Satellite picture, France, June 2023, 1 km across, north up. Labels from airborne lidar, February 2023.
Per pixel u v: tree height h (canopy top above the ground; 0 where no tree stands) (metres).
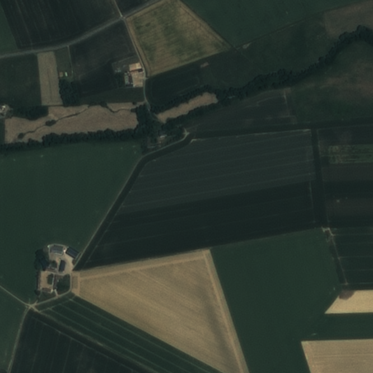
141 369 0
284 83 13
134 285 0
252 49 0
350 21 0
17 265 0
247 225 0
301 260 0
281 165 0
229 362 0
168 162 0
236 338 0
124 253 0
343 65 0
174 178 0
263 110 0
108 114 0
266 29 0
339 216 0
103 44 0
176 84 0
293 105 0
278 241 0
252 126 0
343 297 0
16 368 0
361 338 0
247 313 0
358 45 0
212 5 0
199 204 0
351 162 0
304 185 0
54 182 0
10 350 0
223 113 0
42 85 0
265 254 0
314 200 0
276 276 0
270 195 0
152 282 0
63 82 12
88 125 0
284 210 0
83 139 15
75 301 0
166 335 0
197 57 0
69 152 0
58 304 0
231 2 0
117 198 0
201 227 0
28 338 0
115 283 0
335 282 0
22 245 0
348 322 0
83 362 0
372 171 0
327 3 0
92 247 0
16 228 0
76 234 0
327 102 0
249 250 0
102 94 0
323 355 0
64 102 7
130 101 0
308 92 0
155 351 0
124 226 0
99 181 0
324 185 0
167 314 0
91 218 0
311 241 0
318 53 0
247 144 0
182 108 0
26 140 0
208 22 0
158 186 0
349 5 0
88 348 0
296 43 0
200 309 0
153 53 0
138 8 0
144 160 0
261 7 0
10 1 0
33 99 0
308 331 0
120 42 0
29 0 0
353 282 0
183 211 0
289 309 0
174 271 0
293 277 0
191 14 0
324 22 0
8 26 0
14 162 0
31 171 0
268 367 0
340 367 0
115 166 0
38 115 6
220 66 0
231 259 0
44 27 0
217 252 0
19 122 0
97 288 0
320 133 0
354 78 0
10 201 0
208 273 0
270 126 0
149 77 0
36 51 0
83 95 0
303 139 0
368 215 0
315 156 0
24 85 0
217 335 0
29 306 0
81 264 0
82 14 0
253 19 0
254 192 0
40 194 0
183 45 0
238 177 0
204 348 0
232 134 0
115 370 0
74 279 0
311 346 0
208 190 0
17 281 0
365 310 0
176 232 0
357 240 0
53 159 0
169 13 0
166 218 0
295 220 0
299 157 0
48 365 0
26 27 0
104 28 0
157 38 0
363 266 0
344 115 0
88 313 0
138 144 0
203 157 0
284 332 0
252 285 0
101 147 0
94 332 0
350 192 0
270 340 0
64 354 0
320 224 0
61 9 0
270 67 0
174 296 0
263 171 0
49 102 0
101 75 0
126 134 15
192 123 0
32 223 0
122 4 0
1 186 0
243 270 0
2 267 0
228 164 0
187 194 0
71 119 0
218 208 0
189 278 0
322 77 0
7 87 0
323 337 0
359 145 0
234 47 0
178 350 0
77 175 0
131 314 0
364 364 0
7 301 0
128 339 0
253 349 0
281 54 0
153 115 0
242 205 0
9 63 0
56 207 0
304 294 0
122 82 6
